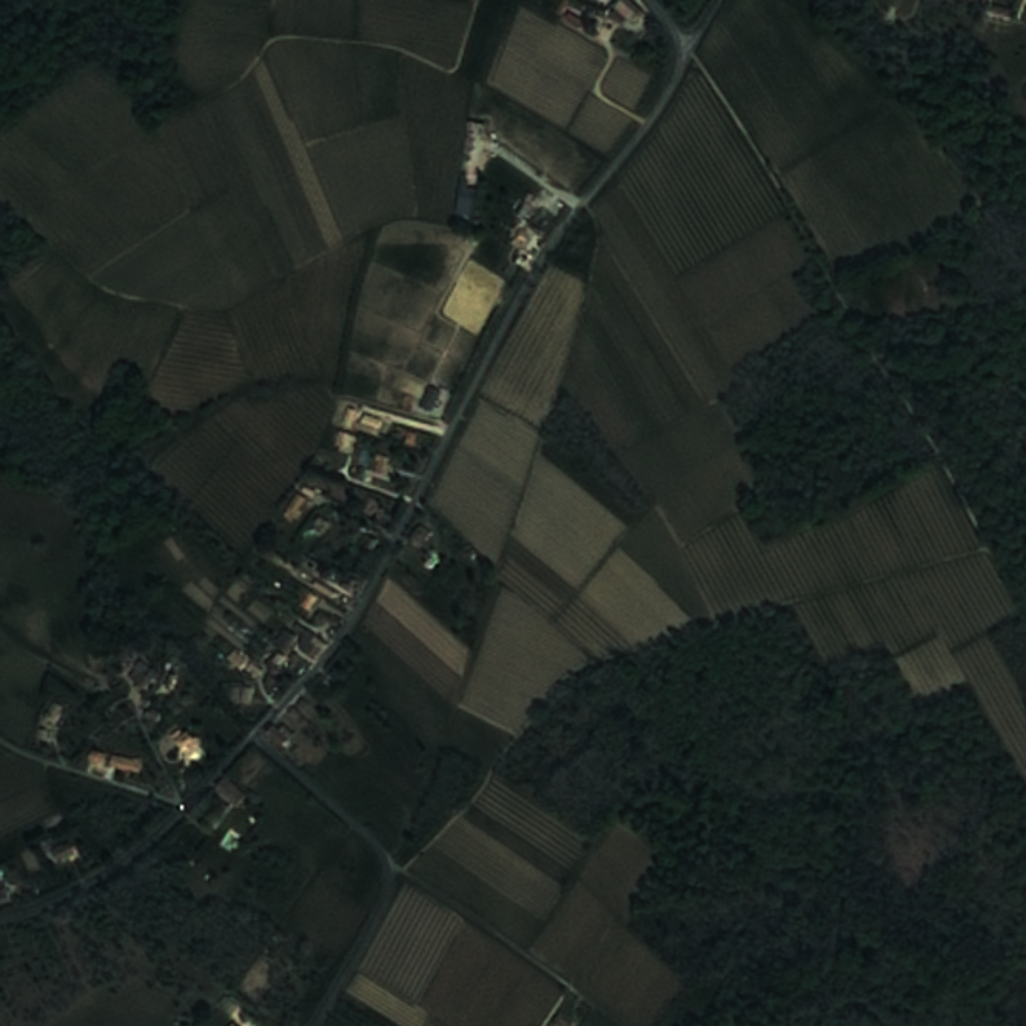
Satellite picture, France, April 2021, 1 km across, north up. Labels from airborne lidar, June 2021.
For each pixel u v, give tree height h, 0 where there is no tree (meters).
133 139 0
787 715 19
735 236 0
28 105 18
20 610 0
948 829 17
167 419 13
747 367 9
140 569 0
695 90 0
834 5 17
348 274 0
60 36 20
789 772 17
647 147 0
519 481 0
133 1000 0
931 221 0
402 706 0
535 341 0
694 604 0
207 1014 12
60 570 0
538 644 0
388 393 0
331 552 8
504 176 0
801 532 15
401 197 0
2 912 6
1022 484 18
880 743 18
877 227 0
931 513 0
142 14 18
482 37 0
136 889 15
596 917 0
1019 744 0
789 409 17
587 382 0
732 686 15
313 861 0
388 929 0
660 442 0
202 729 10
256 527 0
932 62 25
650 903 16
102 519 26
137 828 8
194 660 20
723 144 0
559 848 0
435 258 0
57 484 26
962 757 19
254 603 0
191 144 0
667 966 10
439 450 0
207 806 18
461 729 0
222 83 0
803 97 0
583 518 0
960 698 15
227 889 0
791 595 0
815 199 0
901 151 0
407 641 0
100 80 0
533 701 0
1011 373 20
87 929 9
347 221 0
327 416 0
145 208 0
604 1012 0
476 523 0
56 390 15
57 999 9
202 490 0
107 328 0
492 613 0
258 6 0
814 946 15
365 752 0
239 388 0
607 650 0
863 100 0
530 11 0
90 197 0
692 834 17
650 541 0
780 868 20
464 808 12
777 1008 17
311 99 0
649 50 12
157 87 7
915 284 0
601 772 16
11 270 14
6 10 25
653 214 0
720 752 20
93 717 11
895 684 20
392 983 0
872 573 0
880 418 20
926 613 0
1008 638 10
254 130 0
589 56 0
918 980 18
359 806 0
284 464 0
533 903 0
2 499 0
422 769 7
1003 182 11
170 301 0
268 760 8
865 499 8
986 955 25
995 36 0
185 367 0
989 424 18
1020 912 14
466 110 0
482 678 0
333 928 0
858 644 0
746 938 14
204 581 0
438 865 0
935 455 8
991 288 15
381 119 0
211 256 0
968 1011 16
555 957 0
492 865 0
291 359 0
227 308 0
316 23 0
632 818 19
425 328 0
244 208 0
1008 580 15
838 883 10
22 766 0
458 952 0
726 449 0
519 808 0
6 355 16
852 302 6
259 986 0
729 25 0
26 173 0
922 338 19
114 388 9
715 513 0
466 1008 0
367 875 0
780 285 0
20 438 26
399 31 0
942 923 16
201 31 0
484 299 0
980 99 28
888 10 7
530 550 0
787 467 15
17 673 0
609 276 0
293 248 0
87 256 0
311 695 6
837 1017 18
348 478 7
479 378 0
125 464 15
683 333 0
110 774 0
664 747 15
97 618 13
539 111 0
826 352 19
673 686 18
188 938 10
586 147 0
